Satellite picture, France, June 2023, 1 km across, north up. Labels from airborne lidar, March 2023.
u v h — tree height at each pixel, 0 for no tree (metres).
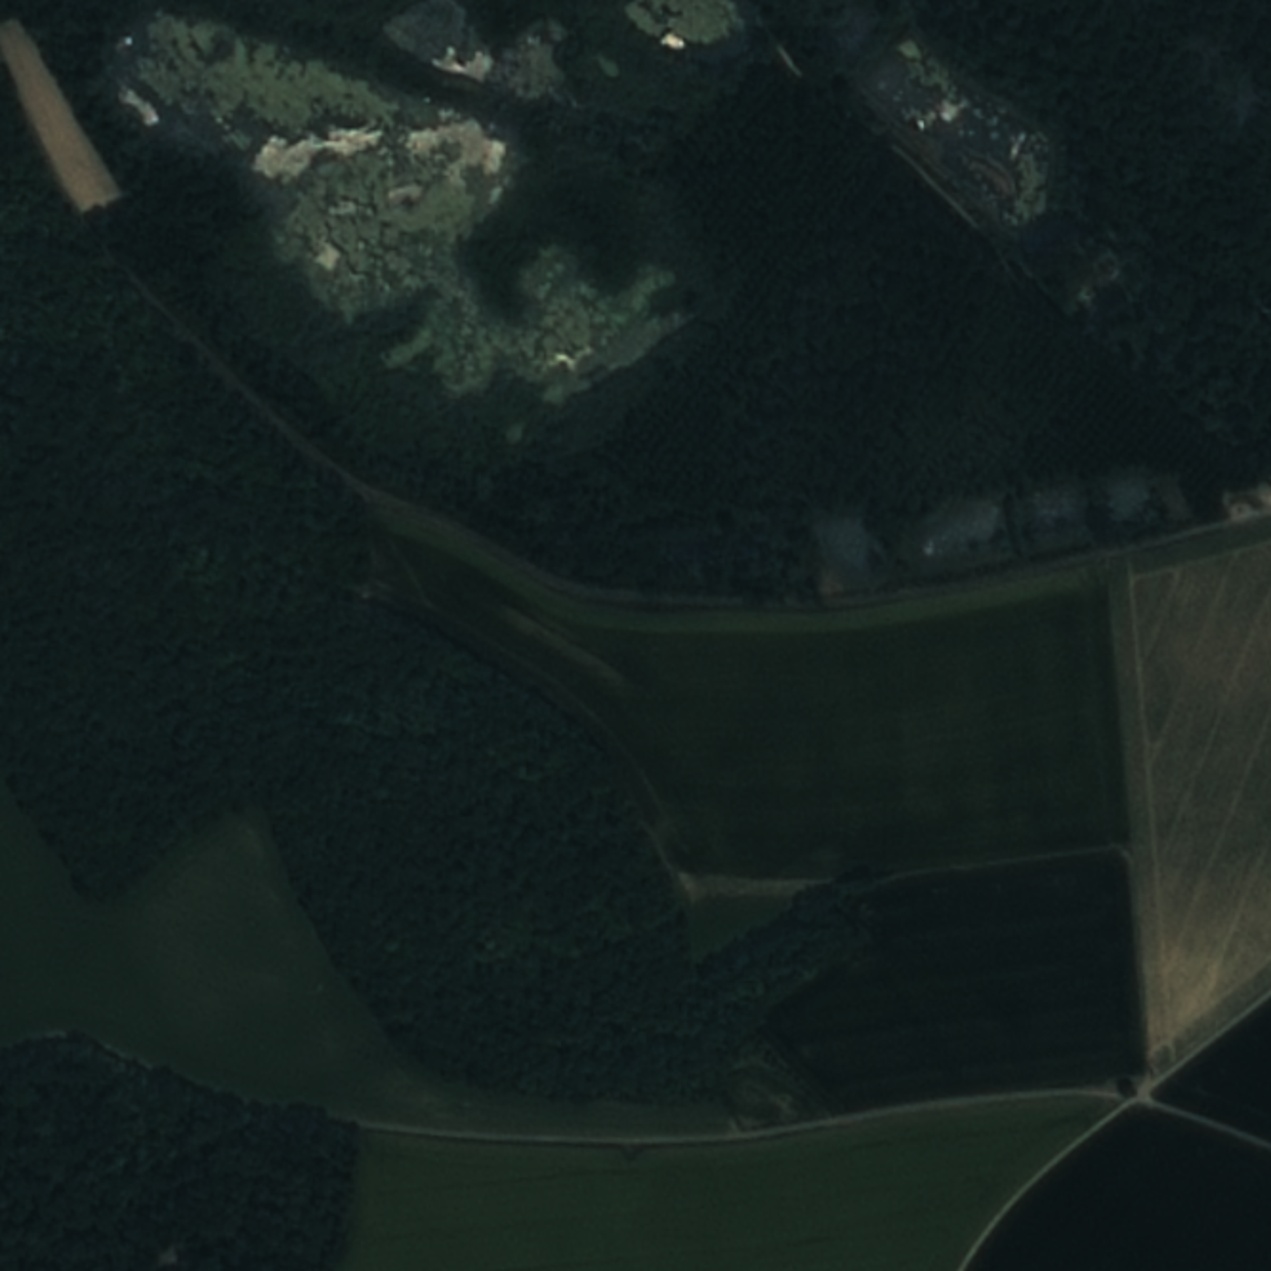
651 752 0
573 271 0
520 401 6
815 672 0
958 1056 0
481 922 12
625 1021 15
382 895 13
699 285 6
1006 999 0
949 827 0
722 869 0
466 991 20
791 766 0
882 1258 0
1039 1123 0
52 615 11
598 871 15
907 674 0
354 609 18
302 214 0
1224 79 12
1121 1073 0
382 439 7
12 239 15
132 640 17
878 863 0
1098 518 18
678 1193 0
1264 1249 0
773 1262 0
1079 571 0
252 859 0
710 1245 0
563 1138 0
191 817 18
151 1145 17
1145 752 0
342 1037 0
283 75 0
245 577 20
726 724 0
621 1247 0
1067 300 18
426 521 0
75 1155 9
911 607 0
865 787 0
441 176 0
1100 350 29
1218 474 24
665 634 0
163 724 16
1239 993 0
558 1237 0
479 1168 0
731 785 0
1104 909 0
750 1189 0
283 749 11
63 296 17
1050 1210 0
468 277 0
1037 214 0
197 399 21
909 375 23
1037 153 0
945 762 0
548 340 0
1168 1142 0
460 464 7
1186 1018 0
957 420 21
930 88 0
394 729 16
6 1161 15
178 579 17
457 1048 19
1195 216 10
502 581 0
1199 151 17
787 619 0
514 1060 19
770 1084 0
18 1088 23
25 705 15
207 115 0
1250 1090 0
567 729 14
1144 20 8
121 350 13
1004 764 0
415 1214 0
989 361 22
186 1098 15
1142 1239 0
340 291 0
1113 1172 0
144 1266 24
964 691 0
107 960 0
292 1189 22
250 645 14
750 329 18
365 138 0
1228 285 29
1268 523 0
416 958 14
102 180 0
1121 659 0
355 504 14
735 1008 17
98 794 16
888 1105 0
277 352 6
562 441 5
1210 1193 0
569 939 15
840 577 0
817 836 0
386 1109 0
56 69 10
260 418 19
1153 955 0
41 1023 0
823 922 18
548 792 17
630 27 6
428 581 0
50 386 22
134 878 16
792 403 26
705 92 8
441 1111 0
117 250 10
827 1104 0
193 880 0
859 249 26
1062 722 0
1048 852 0
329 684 9
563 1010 15
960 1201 0
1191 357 20
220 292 7
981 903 0
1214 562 0
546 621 0
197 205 8
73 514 15
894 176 27
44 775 17
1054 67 18
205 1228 9
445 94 0
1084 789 0
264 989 0
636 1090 14
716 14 0
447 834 16
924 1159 0
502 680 20
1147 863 0
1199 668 0
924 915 0
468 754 17
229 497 20
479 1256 0
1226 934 0
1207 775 0
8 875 0
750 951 18
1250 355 19
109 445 16
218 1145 21
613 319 0
